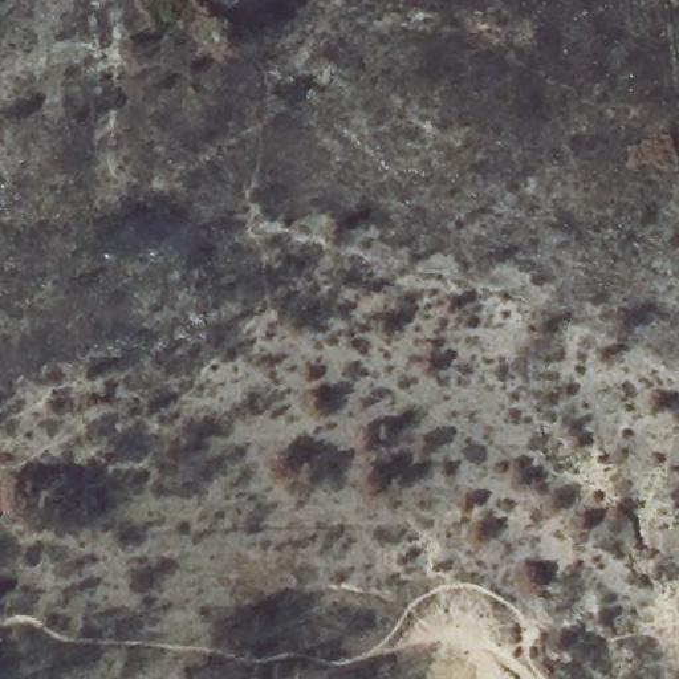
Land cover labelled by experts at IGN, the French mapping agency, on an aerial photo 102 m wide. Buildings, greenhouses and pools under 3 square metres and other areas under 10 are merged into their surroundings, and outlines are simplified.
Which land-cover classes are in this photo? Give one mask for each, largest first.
<instances>
[{"label":"bare soil","instance_id":"1","mask_svg":"<svg viewBox=\"0 0 679 679\"><path fill-rule=\"evenodd\" d=\"M188 8L196 13V19L188 34L183 29L172 32L164 27L159 32H151L154 19L149 13V0H0V618L37 615L48 621L53 629L66 631L72 639L56 642L27 623L0 626V679H379V663L374 658L345 668L337 658H347L377 645L382 634L398 621L401 610H406L408 599L432 589L424 576V560L419 557V536L424 528L443 544V557L435 562V570H448L456 581L488 586L493 594L507 597V602L515 605L525 602L528 597L544 599V610L552 618L549 626L538 634L536 645L530 647V658L536 660V666H541V671L549 679H679V416L674 411L652 414V401L663 390H679V0H188ZM560 310H570L573 321L557 334L544 332V321ZM618 324L634 329V347L618 355L613 363H605L599 355L602 347L615 345ZM347 363H361L363 369H369L366 377L355 382L353 393L337 414H318L316 390L337 385ZM406 408L416 411L419 424L403 430L398 443L369 451L366 427L374 419L398 416ZM565 414L573 419L591 416L586 427L591 432V446H578L570 438L568 427H562ZM300 435L353 451V464L345 472L342 491H334L329 483L316 485L310 480L308 464H302L297 472H289L284 456L289 443ZM398 454H411V462H432V472L408 488L393 480L390 488L382 496H377L371 485V469L377 462H387ZM56 456L61 462L77 464L95 459L101 469L111 472L125 488L117 491V496L111 499L117 509L85 517V528L74 536L32 530L13 509L16 472L32 462L50 464ZM520 456L530 459L536 467L544 469L549 480L544 493L523 488L520 480H515L507 472H496L499 462ZM565 485H578L581 496L568 509L557 512L554 499L557 491ZM623 499L642 501V552L634 546L629 528L623 533L610 530L618 515V501ZM483 517H501L507 520V528L496 538L480 541L477 528ZM281 589L321 591V599L329 605L342 602L358 610H371L374 629L363 637H353L350 642H345V647L337 639H329L305 647L300 658H286L265 666L233 663L217 655H207L212 642V626L233 607L255 605L265 594H276Z\"/></svg>","mask_w":679,"mask_h":679},{"label":"pervious surface","instance_id":"2","mask_svg":"<svg viewBox=\"0 0 679 679\"><path fill-rule=\"evenodd\" d=\"M419 557L424 560V576L432 589L408 599L406 610H401L398 621L382 634L377 645L347 658H337L345 668L374 658L379 663V679H549L541 671V666H536V660L530 658V647L536 645L538 634L549 626L552 618L544 610V599L528 597L525 602L515 605L507 602V597L493 594L488 586L456 581L448 570H435V562L443 557V544L424 528L419 536ZM27 623L56 642L72 639L66 631L53 629L48 621L37 615L0 618V626ZM207 655H217L233 663L265 666L286 658V650L271 655H252L233 652L231 647H217L212 642Z\"/></svg>","mask_w":679,"mask_h":679},{"label":"coniferous trees","instance_id":"3","mask_svg":"<svg viewBox=\"0 0 679 679\"><path fill-rule=\"evenodd\" d=\"M117 491L125 488L111 472L101 469L95 459L77 464L61 462L56 456L50 464L32 462L16 472L13 509L32 530L74 536L85 528V517L117 509L111 499L117 496ZM374 629L371 610H358L342 602L329 605L321 599V591L281 589L276 594H265L255 605L233 607L212 626V642L217 647H231L233 652L252 655H271L286 650V658H300L305 647L329 639H337L345 647V642H350L353 637H363Z\"/></svg>","mask_w":679,"mask_h":679},{"label":"brushwood","instance_id":"4","mask_svg":"<svg viewBox=\"0 0 679 679\"><path fill-rule=\"evenodd\" d=\"M573 321L570 310H560L544 321V332L557 334ZM634 329L618 324L615 345L602 347L599 355L605 363H613L618 355L634 347ZM369 369H363L361 363H347L337 385L316 390L318 414H337L353 393L355 382L366 377ZM674 411L679 416V390H663L652 401V414ZM419 424L416 411L406 408L398 416L374 419L366 427L369 451L398 443L403 430ZM591 416L573 419L565 414L562 427H568L570 438L578 446H591V432L586 427ZM289 472H297L302 464H308L310 480L316 485L329 483L334 491H342L345 472L353 464V451L300 435L289 443L284 456ZM432 472V462H411V454H398L387 462H377L371 469V485L377 496H382L390 488L393 480L408 488ZM496 472H507L515 480H520L523 488L544 493L549 480L544 469L536 467L530 459L520 456L499 462ZM581 496L578 485H565L557 491L554 499L557 512L568 509ZM642 501L623 499L618 501V515L610 530L623 533L629 528L634 546L642 552ZM507 528V520L501 517H483L477 528L480 541L496 538Z\"/></svg>","mask_w":679,"mask_h":679},{"label":"herbaceous vegetation","instance_id":"5","mask_svg":"<svg viewBox=\"0 0 679 679\"><path fill-rule=\"evenodd\" d=\"M149 13L154 19L151 32H159L164 27L172 32L183 29L188 34L196 19V13L188 8V0H149Z\"/></svg>","mask_w":679,"mask_h":679}]
</instances>
